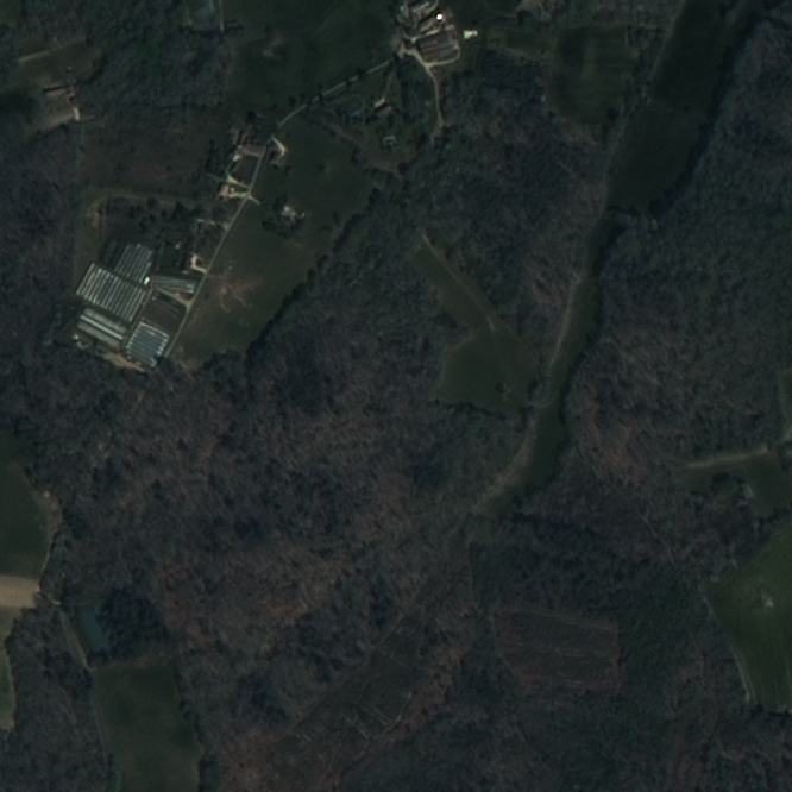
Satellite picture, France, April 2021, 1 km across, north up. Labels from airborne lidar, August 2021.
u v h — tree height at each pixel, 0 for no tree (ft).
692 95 0
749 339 57
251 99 0
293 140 0
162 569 21
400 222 46
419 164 42
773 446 55
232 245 0
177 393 38
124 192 0
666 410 52
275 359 45
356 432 23
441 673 31
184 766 0
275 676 55
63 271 44
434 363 76
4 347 50
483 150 24
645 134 0
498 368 0
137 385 61
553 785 52
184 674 62
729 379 70
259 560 59
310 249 0
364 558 60
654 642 36
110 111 51
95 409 46
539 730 55
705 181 64
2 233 50
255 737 25
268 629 31
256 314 0
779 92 80
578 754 50
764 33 70
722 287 27
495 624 26
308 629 44
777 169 71
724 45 0
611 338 63
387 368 38
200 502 47
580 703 53
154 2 74
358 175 0
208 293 0
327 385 30
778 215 71
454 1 0
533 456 0
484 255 77
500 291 32
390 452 52
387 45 0
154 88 57
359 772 47
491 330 0
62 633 53
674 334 54
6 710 0
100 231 0
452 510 76
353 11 0
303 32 0
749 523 70
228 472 64
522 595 31
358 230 69
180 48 64
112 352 0
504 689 45
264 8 0
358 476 28
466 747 28
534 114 85
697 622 47
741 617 0
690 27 0
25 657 46
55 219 38
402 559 60
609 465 53
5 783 67
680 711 27
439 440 63
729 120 91
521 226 76
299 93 0
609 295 67
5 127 66
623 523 20
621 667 42
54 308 35
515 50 0
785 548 0
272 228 25
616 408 54
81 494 40
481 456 79
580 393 57
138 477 53
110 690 0
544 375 37
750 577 0
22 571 0
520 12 0
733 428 63
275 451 49
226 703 35
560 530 30
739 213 69
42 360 66
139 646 91
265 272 0
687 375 73
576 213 84
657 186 0
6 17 0
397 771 58
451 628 40
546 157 82
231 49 63
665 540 28
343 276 27
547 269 65
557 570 42
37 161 53
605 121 0
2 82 54
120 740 0
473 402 0
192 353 0
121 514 59
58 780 47
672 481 54
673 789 18
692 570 49
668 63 0
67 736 56
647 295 64
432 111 0
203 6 0
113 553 59
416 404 75
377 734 17
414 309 40
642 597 40
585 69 0
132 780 0
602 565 50
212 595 55
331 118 24
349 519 37
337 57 0
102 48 61
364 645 52
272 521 39
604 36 0
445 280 0
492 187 75
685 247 71
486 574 38
